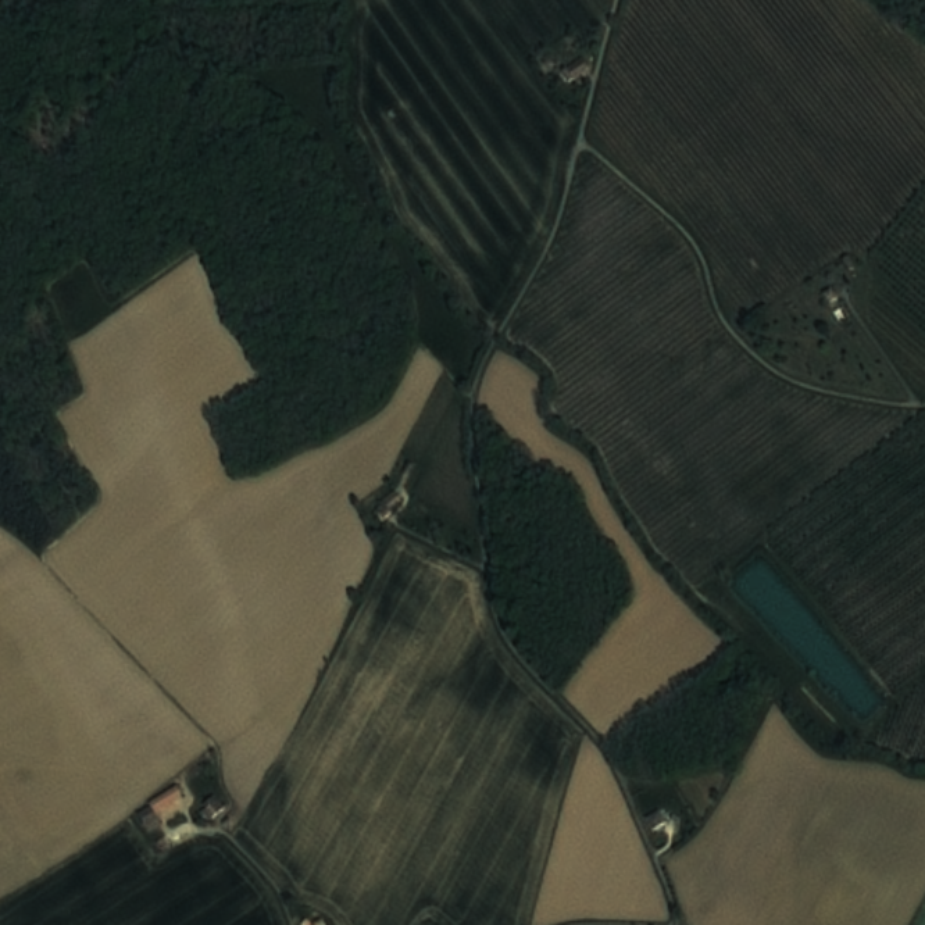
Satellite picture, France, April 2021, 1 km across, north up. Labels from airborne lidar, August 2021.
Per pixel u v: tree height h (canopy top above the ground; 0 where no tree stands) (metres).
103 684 0
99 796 0
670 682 0
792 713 16
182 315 0
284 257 23
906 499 6
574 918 0
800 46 0
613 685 0
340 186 20
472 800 0
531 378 0
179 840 0
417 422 0
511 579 20
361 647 0
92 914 0
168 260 20
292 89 0
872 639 6
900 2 17
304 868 0
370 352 21
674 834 0
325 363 20
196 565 0
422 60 0
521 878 0
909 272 6
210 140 16
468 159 0
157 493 0
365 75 0
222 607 0
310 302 18
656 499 6
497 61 0
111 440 0
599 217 8
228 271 20
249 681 0
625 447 7
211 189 23
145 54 21
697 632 0
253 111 21
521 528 21
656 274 7
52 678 0
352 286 25
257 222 20
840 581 8
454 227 0
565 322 6
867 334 0
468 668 0
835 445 8
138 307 0
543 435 0
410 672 0
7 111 13
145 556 0
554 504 21
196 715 0
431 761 0
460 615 0
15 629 0
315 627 0
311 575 0
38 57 13
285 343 21
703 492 7
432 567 0
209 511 0
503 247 0
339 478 0
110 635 0
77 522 14
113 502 0
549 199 0
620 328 7
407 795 0
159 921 0
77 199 20
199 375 0
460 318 15
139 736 0
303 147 23
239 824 0
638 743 19
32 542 13
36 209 23
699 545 8
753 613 0
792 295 0
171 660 0
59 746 0
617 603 14
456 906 0
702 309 6
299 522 0
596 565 21
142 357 0
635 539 11
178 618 0
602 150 0
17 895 0
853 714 10
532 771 0
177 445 0
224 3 21
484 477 19
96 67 16
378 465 0
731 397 5
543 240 0
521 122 0
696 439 8
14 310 18
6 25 11
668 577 15
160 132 22
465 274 0
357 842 0
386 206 15
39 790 0
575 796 0
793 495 6
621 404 6
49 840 0
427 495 0
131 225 20
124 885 0
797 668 0
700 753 21
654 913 0
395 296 23
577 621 18
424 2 0
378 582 0
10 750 0
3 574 0
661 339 8
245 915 0
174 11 12
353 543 0
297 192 23
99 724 0
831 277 8
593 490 0
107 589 0
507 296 0
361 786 0
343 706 0
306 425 17
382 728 0
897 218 5
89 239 21
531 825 0
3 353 15
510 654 0
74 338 0
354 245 23
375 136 0
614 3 0
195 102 19
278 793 0
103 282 16
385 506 0
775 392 7
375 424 0
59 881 0
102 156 21
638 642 0
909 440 7
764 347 12
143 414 0
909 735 5
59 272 19
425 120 0
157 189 20
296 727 0
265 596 0
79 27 15
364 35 0
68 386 18
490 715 0
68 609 0
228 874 0
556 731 0
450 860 0
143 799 0
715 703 21
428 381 0
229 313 23
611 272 8
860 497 7
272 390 18
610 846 0
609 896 0
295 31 13
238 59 12
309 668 0
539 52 11
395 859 0
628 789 0
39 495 21
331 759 0
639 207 7
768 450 6
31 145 22
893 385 0
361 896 0
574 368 7
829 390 0
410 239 15
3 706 0
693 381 7
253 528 0
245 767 0
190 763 0
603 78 0
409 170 0
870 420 7
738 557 6
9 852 0
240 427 20
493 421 17
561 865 0
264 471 19
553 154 0
